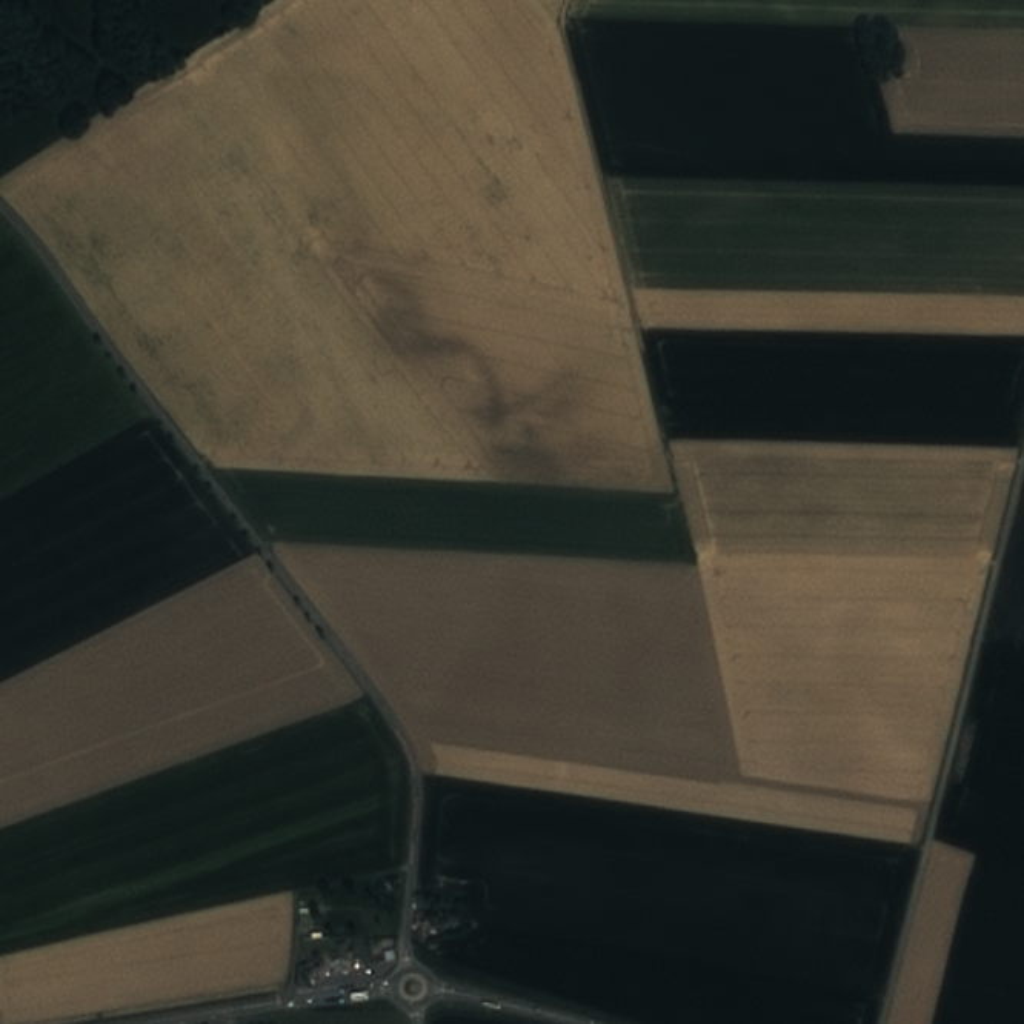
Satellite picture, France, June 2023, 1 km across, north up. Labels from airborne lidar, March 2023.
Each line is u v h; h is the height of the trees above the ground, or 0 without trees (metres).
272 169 0
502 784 0
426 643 0
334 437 0
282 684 0
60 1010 0
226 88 0
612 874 0
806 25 0
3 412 0
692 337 0
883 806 0
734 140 0
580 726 0
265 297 0
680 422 0
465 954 0
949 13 0
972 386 0
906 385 0
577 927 0
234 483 0
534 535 0
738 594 0
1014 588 0
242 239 0
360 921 0
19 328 0
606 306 0
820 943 0
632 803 0
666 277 0
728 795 0
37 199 0
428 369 0
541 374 0
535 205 0
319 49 0
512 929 0
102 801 0
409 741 0
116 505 0
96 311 0
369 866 0
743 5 0
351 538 0
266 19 0
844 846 0
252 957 0
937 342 0
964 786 0
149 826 0
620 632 0
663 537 0
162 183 0
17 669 0
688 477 0
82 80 0
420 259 0
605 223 0
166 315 0
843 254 0
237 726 0
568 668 0
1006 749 0
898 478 0
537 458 0
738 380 0
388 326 0
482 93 0
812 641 0
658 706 0
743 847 0
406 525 0
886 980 0
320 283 0
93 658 0
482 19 0
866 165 0
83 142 0
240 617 0
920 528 0
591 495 0
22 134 0
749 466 0
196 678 0
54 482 0
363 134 0
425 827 0
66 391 0
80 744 0
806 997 0
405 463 0
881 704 0
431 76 0
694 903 0
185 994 0
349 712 0
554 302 0
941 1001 0
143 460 0
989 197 0
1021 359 0
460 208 0
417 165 0
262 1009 0
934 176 0
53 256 0
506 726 0
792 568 0
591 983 0
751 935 0
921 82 0
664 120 0
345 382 0
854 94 0
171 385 0
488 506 0
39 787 0
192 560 0
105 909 0
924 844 0
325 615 0
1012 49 0
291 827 0
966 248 0
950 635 0
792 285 0
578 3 0
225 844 0
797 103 0
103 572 0
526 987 0
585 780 0
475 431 0
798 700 0
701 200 0
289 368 0
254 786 0
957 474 0
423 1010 0
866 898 0
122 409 0
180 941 0
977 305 0
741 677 0
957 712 0
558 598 0
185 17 0
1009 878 0
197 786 0
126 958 0
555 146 0
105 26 22
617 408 0
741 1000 0
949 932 0
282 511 0
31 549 0
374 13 0
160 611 0
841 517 0
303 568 0
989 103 0
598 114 0
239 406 0
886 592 0
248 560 0
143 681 0
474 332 0
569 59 0
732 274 0
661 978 0
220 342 0
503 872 0
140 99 0
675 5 0
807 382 0
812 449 0
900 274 0
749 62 0
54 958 0
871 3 0
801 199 0
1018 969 0
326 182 0
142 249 0
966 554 0
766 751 0
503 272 0
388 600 0
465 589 0
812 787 0
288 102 0
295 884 0
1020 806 0
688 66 0
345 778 0
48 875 0
